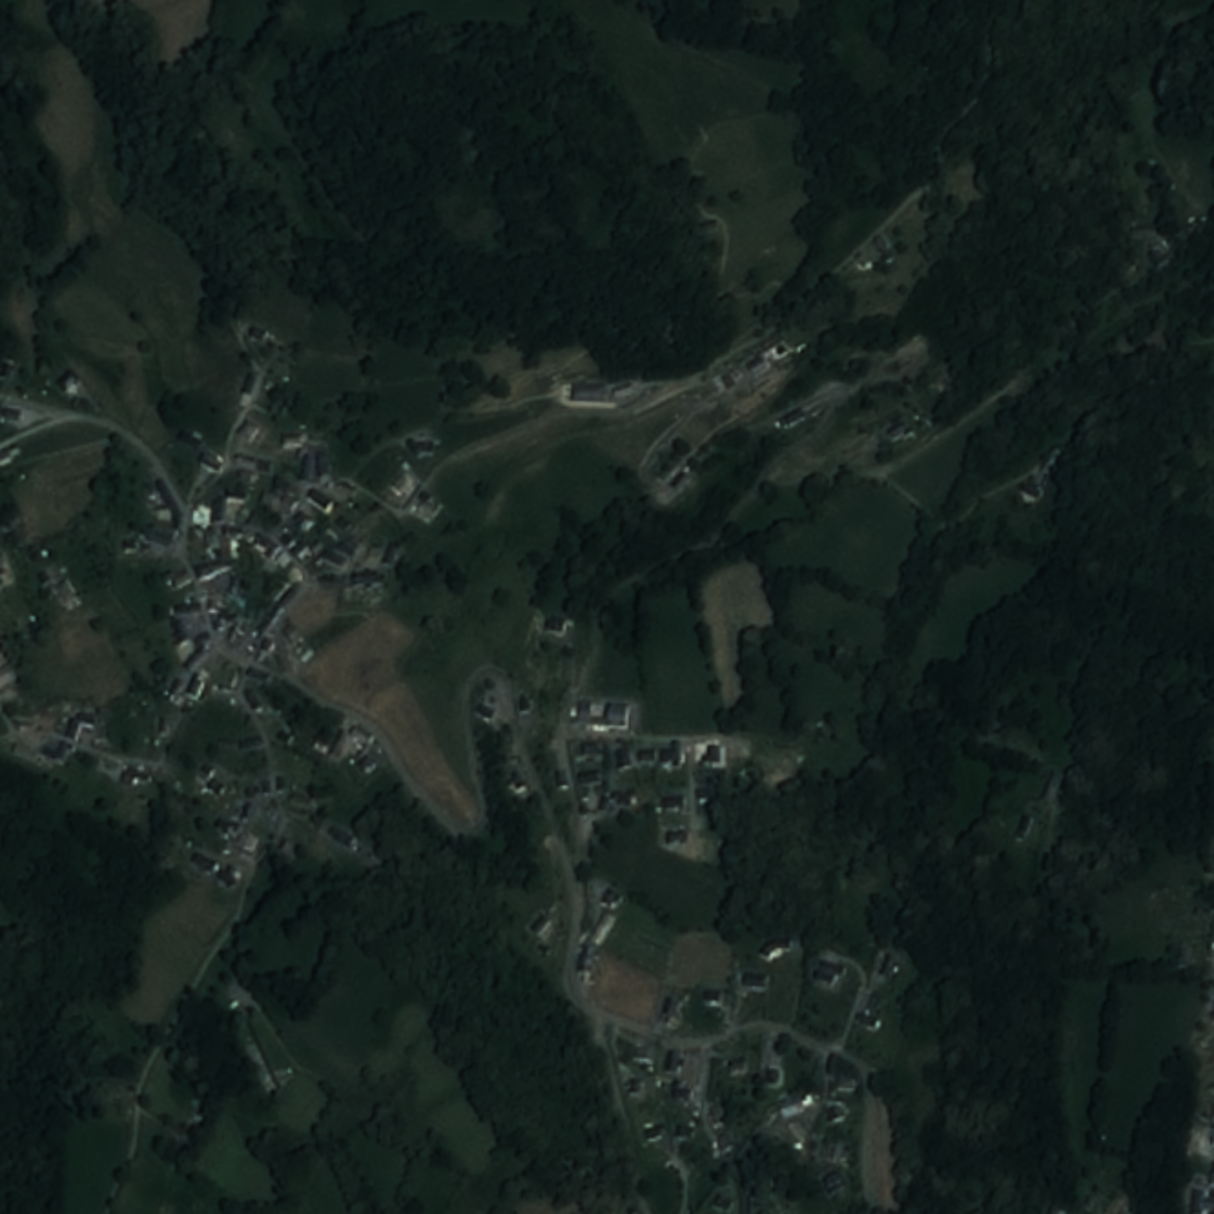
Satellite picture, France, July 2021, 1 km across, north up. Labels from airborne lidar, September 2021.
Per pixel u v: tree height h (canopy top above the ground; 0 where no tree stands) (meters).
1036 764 13
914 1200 23
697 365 9
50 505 0
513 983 13
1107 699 24
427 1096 0
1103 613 16
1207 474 24
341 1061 0
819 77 16
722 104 0
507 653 0
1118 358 25
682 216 18
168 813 8
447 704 0
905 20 17
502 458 0
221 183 14
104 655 0
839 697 0
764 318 12
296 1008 10
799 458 0
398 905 20
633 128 18
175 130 15
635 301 17
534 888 17
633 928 0
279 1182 13
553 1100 14
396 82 19
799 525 11
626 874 0
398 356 0
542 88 16
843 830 22
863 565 0
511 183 15
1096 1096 16
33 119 12
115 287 0
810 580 15
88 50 22
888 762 18
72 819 12
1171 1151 26
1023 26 22
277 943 0
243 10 0
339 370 0
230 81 24
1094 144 25
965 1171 12
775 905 20
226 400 0
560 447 0
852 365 11
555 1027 17
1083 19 20
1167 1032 0
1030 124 16
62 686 0
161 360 0
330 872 12
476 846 12
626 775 0
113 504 6
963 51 15
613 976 0
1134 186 0
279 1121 0
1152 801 25
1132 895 0
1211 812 19
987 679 9
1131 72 22
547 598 6
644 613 19
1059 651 17
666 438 0
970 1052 29
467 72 17
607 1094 12
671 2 18
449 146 22
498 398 14
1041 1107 25
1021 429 10
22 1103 20
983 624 20
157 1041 18
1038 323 21
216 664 0
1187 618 27
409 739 0
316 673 0
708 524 13
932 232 14
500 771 8
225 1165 0
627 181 13
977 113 10
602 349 15
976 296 15
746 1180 15
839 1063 13
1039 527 7
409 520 0
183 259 0
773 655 14
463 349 10
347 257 19
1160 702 8
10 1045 17
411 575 17
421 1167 17
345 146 11
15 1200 14
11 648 19
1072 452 10
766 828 20
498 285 13
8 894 11
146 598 0
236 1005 0
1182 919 0
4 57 22
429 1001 11
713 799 16
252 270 11
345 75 17
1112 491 12
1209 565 19
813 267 14
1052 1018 21
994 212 13
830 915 22
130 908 10
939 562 16
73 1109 6
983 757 15
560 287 18
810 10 11
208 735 0
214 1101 18
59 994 8
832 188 9
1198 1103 17
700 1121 8
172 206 15
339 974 15
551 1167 15
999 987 22
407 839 19
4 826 7
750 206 0
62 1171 13
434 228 13
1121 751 20
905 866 20
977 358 19
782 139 0
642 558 19
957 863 18
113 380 0
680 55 0
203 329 10
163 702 7
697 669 0
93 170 0
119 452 11
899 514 0
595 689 0
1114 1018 19
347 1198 10
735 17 15
